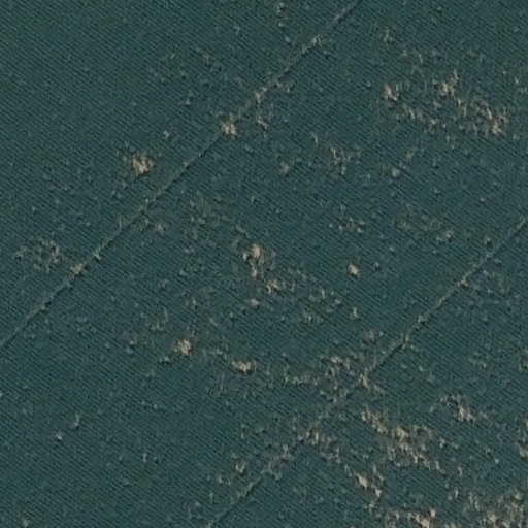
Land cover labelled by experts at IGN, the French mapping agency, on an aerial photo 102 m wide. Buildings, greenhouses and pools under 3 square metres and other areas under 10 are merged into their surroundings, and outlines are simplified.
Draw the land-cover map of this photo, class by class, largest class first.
<instances>
[{"label":"agricultural land","instance_id":"1","mask_svg":"<svg viewBox=\"0 0 528 528\"><path fill-rule=\"evenodd\" d=\"M0 528H528V0H0Z\"/></svg>","mask_w":528,"mask_h":528}]
</instances>
